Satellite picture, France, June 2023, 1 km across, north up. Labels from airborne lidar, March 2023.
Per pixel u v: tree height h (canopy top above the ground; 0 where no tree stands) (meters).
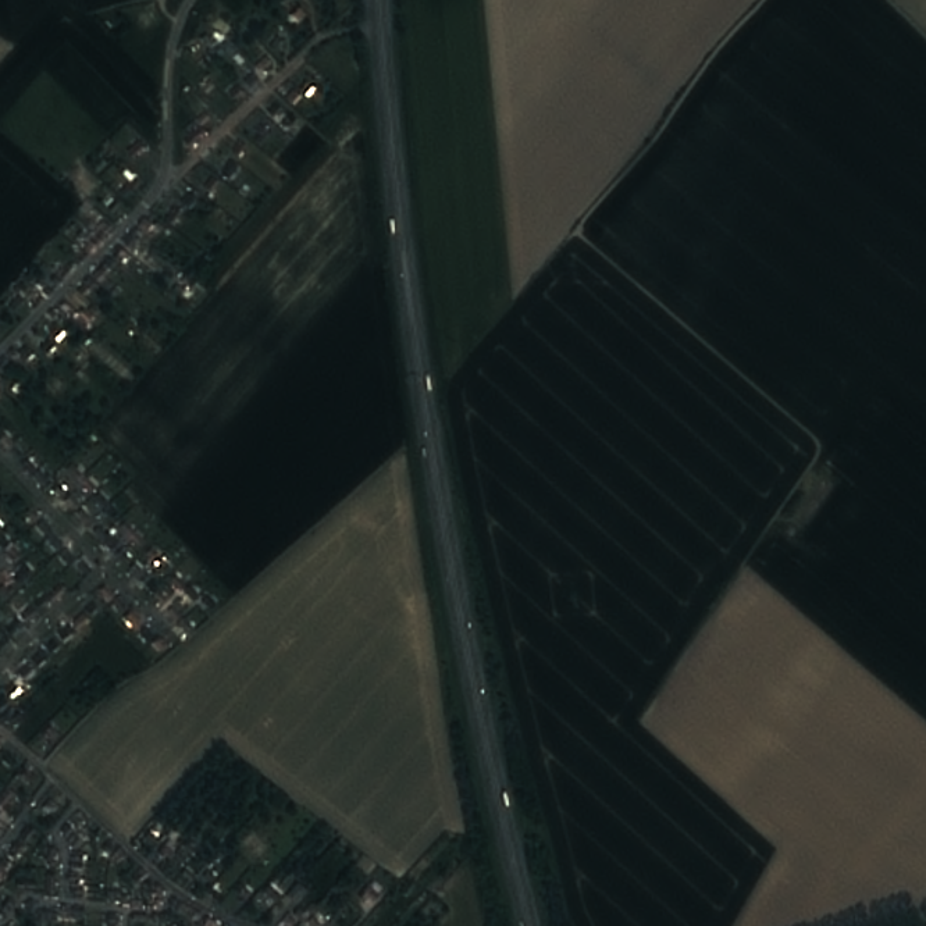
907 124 0
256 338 0
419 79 0
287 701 0
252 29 14
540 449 0
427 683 0
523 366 0
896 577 0
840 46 0
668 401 0
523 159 0
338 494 0
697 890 0
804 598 0
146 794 0
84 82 0
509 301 0
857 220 0
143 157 0
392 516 0
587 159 0
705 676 0
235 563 0
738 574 0
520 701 0
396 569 0
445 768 0
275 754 0
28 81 0
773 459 0
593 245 0
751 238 0
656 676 0
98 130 0
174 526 0
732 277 0
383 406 0
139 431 0
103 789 0
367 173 0
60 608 0
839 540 0
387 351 0
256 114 0
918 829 0
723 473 0
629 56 0
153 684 0
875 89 0
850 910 0
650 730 0
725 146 0
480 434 0
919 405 0
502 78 0
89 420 12
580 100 0
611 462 0
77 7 0
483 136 0
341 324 0
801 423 0
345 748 0
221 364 0
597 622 0
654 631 0
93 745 0
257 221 0
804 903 0
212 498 0
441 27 0
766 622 0
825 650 0
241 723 0
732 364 0
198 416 0
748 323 0
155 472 0
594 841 0
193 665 0
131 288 0
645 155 0
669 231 0
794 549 0
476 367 0
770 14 0
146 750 0
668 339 0
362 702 0
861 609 0
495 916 14
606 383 0
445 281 0
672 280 0
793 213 0
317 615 0
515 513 0
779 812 0
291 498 0
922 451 0
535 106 0
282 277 0
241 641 0
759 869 0
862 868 0
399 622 0
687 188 0
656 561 0
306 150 0
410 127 0
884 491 0
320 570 0
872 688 0
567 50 0
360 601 0
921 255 0
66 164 0
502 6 0
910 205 0
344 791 0
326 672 0
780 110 0
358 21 8
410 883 7
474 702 0
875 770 0
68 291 0
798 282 0
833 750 0
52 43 0
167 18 0
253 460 0
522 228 0
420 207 0
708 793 0
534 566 0
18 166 0
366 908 0
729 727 0
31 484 0
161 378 0
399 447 0
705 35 0
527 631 0
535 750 0
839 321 0
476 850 8
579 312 0
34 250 0
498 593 0
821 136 0
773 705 0
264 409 0
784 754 0
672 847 0
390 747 0
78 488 0
